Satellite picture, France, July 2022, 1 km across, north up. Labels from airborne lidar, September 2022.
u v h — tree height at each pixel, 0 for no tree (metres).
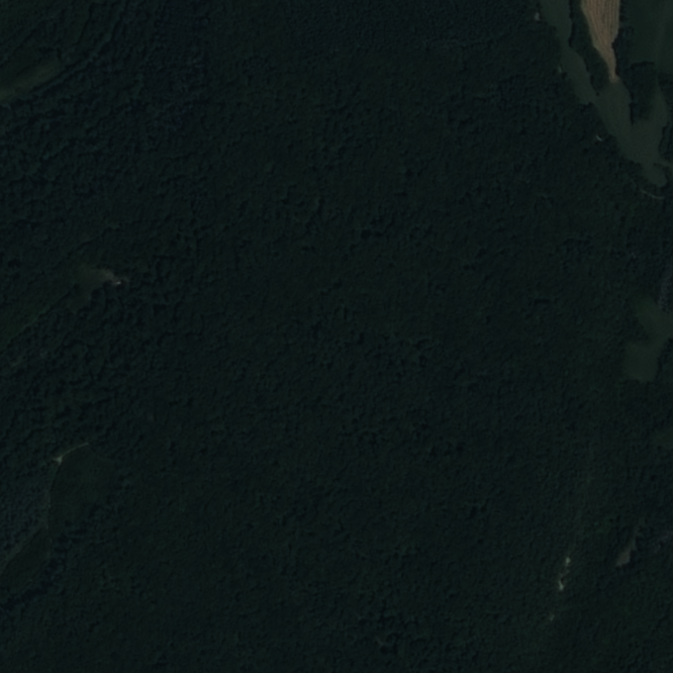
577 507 9
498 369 24
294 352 20
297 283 24
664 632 19
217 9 24
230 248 21
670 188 16
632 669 18
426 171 26
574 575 15
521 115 19
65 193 27
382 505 21
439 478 23
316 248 20
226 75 20
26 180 18
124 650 18
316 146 21
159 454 18
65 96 20
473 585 18
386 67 18
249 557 18
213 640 17
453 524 24
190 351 20
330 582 18
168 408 17
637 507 23
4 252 26
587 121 21
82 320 17
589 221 17
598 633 11
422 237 22
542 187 18
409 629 28
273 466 15
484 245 21
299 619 17
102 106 27
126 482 18
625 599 18
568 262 19
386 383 19
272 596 18
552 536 14
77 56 14
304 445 17
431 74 16
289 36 17
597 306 16
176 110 20
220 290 23
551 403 19
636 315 19
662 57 0
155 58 18
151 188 21
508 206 19
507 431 18
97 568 17
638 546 7
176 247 22
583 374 16
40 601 17
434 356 26
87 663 18
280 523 17
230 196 20
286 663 20
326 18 20
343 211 20
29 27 21
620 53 18
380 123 21
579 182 17
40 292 17
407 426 21
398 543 18
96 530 16
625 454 17
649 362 0
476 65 22
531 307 20
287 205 22
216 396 22
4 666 20
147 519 18
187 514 17
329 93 19
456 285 20
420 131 18
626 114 0
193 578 16
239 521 20
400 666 19
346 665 24
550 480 16
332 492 17
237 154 18
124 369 8
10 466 19
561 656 22
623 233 19
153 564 17
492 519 18
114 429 12
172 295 22
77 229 18
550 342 19
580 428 20
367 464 15
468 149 18
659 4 0
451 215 19
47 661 18
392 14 21
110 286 20
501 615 15
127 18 20
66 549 20
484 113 23
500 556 21
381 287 18
